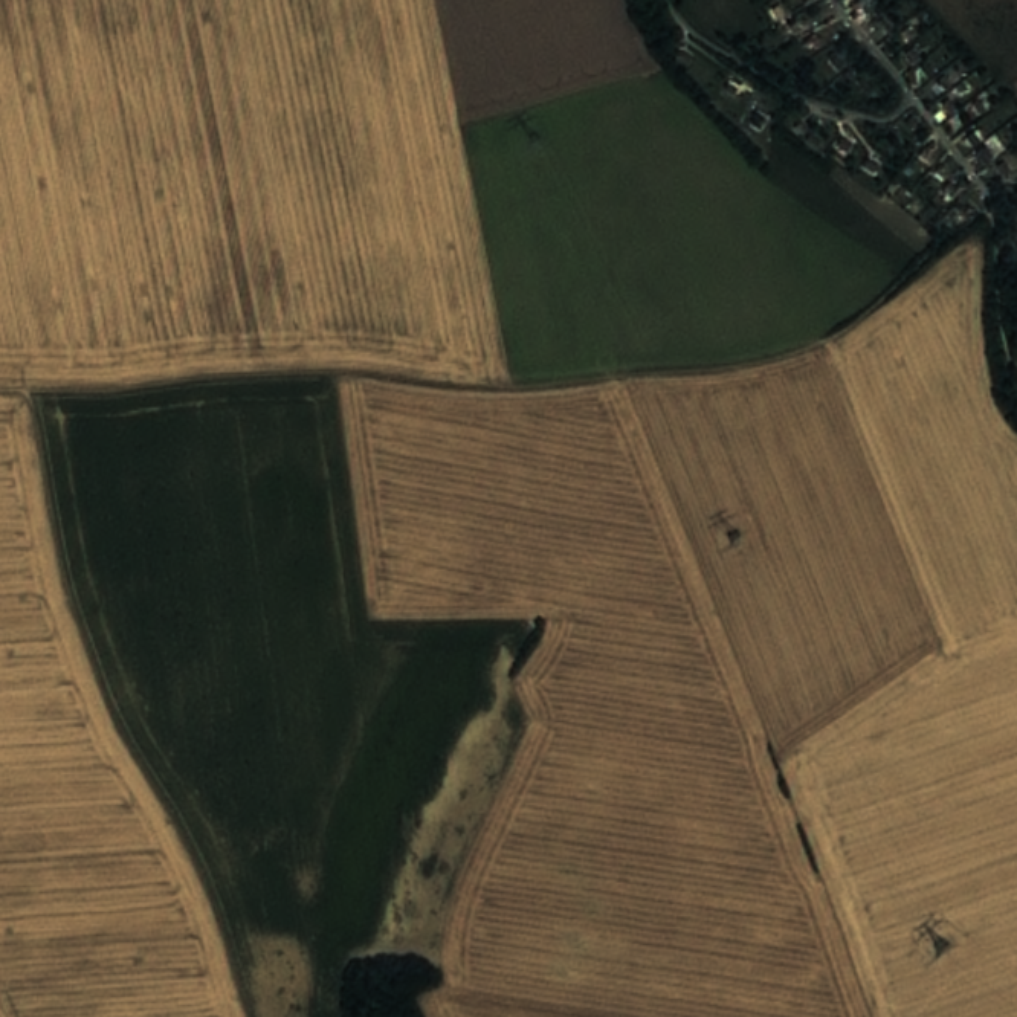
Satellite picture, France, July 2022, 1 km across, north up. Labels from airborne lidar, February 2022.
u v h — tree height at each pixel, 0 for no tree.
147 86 0
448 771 0
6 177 0
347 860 0
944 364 0
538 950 0
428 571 0
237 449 0
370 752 0
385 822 0
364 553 0
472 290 0
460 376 0
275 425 0
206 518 0
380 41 0
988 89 6
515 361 0
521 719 0
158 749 0
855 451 0
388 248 0
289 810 0
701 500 0
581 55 0
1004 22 0
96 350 0
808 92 16
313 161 0
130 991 0
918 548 0
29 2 0
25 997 0
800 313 0
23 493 0
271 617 0
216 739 0
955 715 0
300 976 0
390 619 0
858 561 0
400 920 0
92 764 0
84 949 0
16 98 0
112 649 0
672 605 0
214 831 0
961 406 0
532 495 0
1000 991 0
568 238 0
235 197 0
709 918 0
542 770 0
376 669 0
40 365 0
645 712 0
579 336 0
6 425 0
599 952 0
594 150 0
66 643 0
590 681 0
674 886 0
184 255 0
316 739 0
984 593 0
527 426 0
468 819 0
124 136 0
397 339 0
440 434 0
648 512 0
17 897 0
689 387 0
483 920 0
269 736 0
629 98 0
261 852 0
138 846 0
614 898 0
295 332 0
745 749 0
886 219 0
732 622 0
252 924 0
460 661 0
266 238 0
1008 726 0
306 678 0
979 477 0
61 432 0
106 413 0
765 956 0
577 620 0
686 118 0
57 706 0
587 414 0
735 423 0
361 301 0
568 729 0
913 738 0
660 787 0
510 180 0
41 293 0
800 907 0
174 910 0
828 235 0
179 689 0
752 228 0
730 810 0
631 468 0
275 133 0
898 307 0
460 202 0
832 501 0
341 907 0
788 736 0
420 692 0
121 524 0
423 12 0
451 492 0
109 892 0
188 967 0
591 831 0
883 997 0
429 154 0
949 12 0
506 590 0
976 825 0
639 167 0
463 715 0
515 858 0
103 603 0
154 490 0
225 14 0
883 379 0
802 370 0
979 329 0
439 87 0
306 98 0
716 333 0
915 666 0
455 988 0
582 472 0
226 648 0
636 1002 0
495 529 0
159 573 0
